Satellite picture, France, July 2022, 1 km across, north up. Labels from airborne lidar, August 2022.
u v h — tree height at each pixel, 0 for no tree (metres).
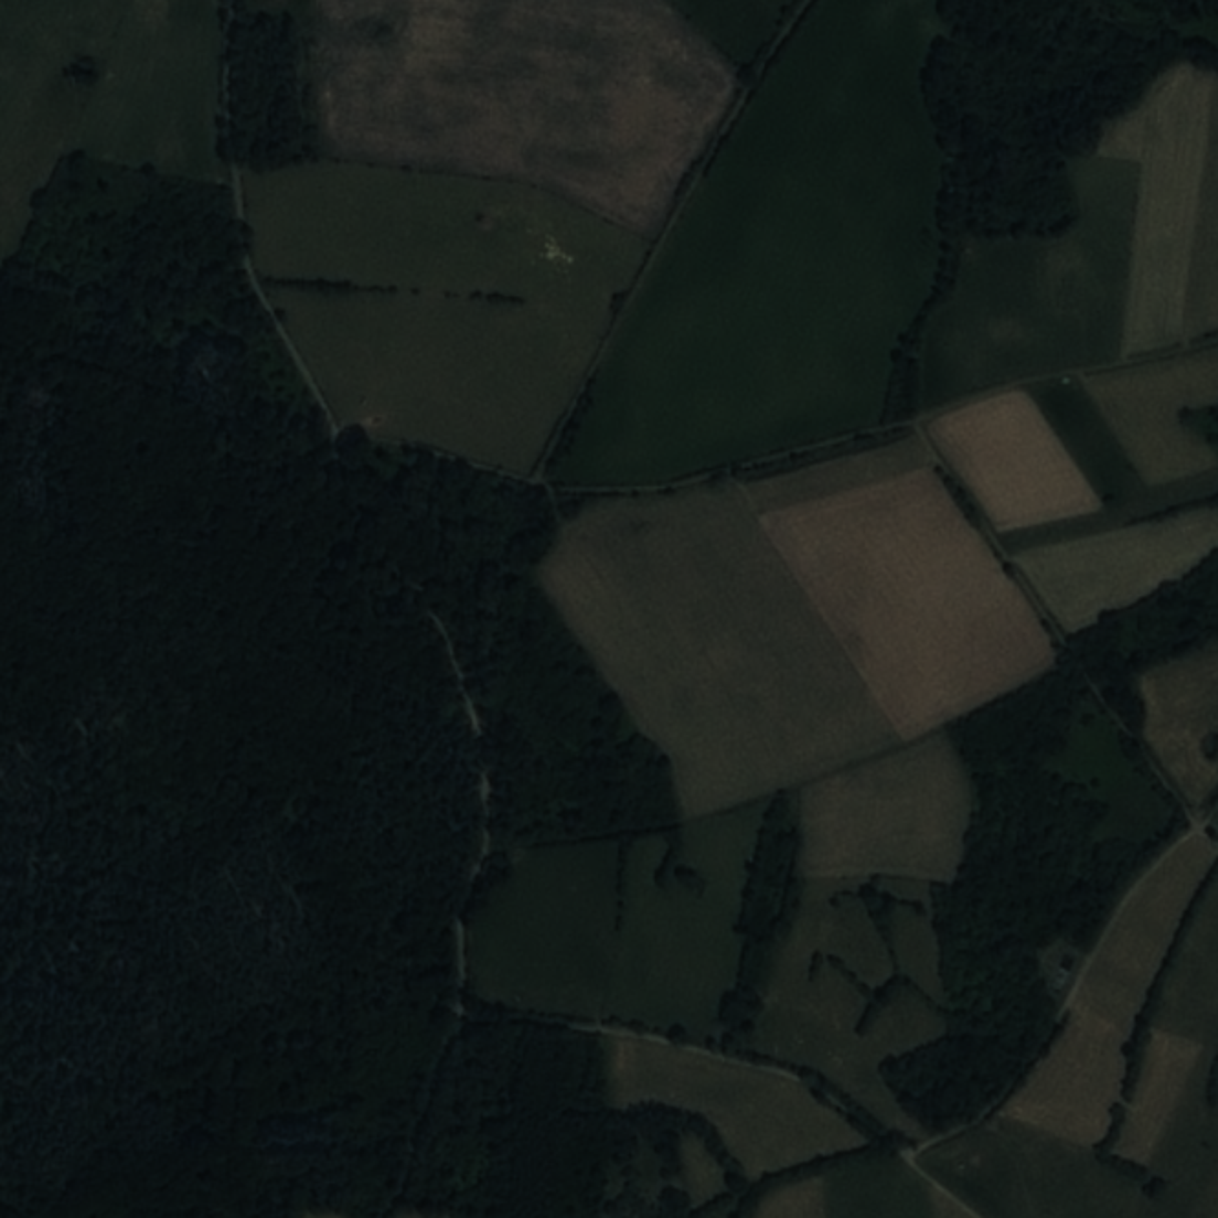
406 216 0
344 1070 7
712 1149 14
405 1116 12
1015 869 8
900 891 0
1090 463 0
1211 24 0
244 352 26
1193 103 0
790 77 0
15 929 25
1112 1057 0
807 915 0
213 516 29
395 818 19
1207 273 0
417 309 0
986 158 20
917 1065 13
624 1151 13
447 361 0
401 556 29
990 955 8
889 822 0
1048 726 9
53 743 20
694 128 0
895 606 0
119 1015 21
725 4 0
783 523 0
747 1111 0
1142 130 0
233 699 22
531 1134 14
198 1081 10
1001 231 7
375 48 0
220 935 23
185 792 23
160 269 9
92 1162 25
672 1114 15
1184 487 0
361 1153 20
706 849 0
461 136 0
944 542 0
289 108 18
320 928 16
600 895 0
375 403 0
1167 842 11
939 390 0
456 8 0
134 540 32
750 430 0
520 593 16
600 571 0
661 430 0
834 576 0
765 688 0
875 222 0
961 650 0
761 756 0
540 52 0
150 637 17
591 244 0
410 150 0
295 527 20
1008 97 7
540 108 0
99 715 18
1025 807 6
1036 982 13
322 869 24
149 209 9
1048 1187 0
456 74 0
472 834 23
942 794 0
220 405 28
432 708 25
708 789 0
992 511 0
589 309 0
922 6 0
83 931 27
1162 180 0
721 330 0
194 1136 25
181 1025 17
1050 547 0
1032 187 9
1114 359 0
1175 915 0
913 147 0
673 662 0
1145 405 0
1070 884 7
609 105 0
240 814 17
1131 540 0
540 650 9
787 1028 0
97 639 18
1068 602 0
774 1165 0
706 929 0
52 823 18
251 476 31
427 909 27
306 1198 21
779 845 10
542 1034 15
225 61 7
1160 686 0
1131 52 12
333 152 0
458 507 8
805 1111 0
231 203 8
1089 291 0
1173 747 0
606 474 0
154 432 33
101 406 34
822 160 0
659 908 0
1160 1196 7
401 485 20
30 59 0
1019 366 0
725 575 0
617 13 0
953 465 0
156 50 0
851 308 0
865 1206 0
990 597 0
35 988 26
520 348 0
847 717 0
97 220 15
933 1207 0
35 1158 23
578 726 8
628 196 0
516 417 0
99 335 20
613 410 0
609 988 0
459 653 11
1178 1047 0
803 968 0
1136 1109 0
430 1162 17
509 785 14
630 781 8
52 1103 21
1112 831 0
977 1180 0
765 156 0
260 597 25
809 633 0
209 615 18
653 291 0
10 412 25
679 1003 0
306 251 0
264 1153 27
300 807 14
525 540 21
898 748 0
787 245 0
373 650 25
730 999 15
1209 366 0
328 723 26
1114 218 0
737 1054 11
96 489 32
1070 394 0
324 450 23
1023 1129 0
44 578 26
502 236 0
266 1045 16
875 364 0
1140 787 0
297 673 21
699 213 0
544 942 0
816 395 0
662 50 0
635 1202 6
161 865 28
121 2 0
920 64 0
